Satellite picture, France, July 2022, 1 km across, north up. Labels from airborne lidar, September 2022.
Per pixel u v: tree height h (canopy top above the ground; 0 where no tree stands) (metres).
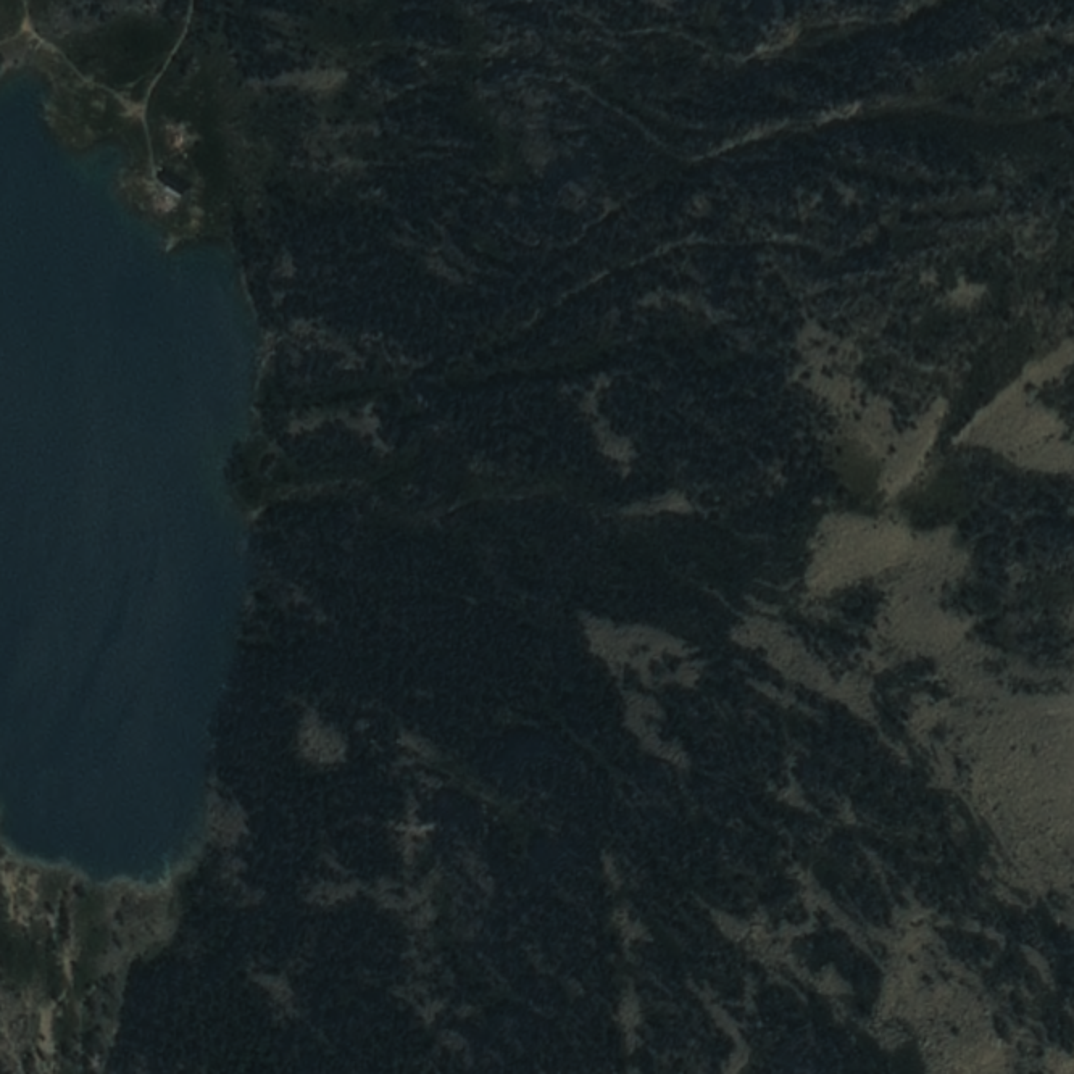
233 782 16
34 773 0
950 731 0
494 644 8
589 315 18
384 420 14
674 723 9
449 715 11
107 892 0
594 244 10
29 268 0
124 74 0
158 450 0
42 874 0
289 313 8
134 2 0
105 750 0
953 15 9
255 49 8
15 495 0
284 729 8
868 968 10
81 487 0
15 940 0
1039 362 0
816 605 0
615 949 9
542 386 11
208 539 0
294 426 0
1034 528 12
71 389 0
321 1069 21
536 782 14
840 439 0
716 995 0
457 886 0
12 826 0
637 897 7
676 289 15
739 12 12
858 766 7
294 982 7
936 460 0
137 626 0
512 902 9
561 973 6
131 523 0
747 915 12
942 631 0
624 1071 8
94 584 0
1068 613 0
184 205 0
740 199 10
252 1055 6
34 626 0
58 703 0
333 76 0
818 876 0
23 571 0
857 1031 0
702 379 10
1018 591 6
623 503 9
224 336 0
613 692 6
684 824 14
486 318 7
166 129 0
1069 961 9
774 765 7
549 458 10
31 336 0
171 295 0
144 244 0
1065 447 0
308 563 9
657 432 7
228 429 0
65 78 0
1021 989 0
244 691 6
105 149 0
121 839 0
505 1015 9
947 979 6
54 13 0
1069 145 0
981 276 6
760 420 10
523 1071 10
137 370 0
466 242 8
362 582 11
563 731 9
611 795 9
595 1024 7
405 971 11
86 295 0
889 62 6
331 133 0
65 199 0
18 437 0
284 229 8
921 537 0
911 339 7
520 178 0
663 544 0
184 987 6
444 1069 9
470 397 13
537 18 6
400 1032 16
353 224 10
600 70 0
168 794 0
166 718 0
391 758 7
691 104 10
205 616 0
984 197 0
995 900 0
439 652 7
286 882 10
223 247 0
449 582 11
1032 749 0
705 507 7
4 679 0
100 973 0
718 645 5
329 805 8
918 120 0
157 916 0
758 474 7
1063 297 9
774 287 9
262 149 0
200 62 0
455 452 9
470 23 0
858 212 12
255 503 0
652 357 9
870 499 0
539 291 22
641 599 6
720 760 9
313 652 9
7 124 0
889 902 8
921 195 9
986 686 0
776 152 6
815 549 0
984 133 0
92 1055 10
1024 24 7
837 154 11
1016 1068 0
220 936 14
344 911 11
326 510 8
